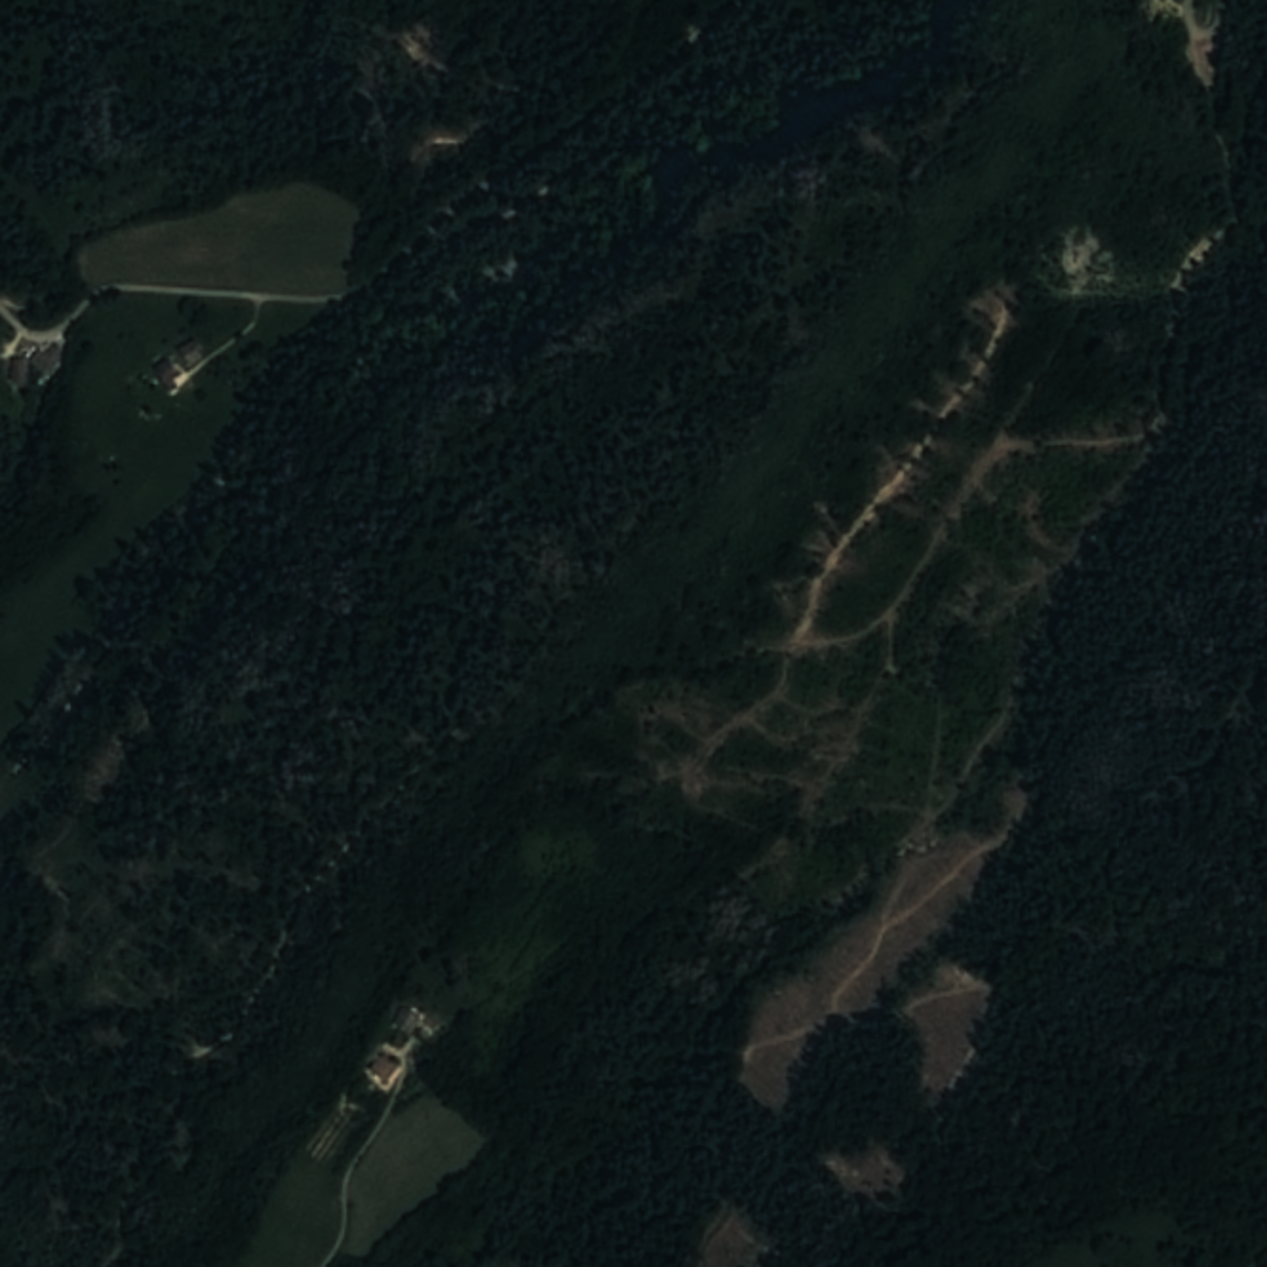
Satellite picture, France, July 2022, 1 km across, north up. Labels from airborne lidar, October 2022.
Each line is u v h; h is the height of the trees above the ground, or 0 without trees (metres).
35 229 8
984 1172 22
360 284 8
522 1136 22
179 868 0
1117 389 13
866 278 8
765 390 12
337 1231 0
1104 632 37
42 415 9
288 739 14
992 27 8
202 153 13
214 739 10
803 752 7
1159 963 7
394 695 18
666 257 13
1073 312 10
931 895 0
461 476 6
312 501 19
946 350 9
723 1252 0
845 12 29
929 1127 15
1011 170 6
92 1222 13
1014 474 7
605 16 23
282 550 25
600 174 7
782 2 27
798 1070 0
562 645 7
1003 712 12
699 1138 23
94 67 23
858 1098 21
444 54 30
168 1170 19
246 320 0
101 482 0
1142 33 18
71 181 18
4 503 19
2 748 6
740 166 33
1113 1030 19
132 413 0
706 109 27
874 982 0
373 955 8
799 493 6
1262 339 20
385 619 11
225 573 12
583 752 9
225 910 10
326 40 25
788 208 6
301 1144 17
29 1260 18
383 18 27
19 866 25
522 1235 24
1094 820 19
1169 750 17
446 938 10
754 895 7
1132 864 22
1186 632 20
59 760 25
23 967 12
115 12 8
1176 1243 8
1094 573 17
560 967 10
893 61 8
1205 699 17
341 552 8
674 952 11
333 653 15
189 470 0
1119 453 10
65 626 0
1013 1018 22
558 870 6
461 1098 20
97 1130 12
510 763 14
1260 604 24
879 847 17
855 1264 15
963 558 8
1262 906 22
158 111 26
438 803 8
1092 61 7
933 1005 0
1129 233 17
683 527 12
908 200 15
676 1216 26
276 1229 0
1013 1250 19
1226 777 23
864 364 8
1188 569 19
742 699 12
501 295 20
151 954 15
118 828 19
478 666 27
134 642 8
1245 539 29
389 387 24
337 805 16
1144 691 20
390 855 14
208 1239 16
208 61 11
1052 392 7
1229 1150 9
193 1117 21
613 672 8
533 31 27
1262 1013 17
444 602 14
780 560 15
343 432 28
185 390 0
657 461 26
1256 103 30
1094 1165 23
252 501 26
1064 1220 13
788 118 18
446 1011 0
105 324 0
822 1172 17
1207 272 11
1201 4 11
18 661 0
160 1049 14
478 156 13
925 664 11
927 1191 27
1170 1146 24
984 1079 20
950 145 6
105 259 0
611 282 14
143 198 0
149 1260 12
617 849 7
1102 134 12
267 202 0
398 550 10
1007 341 6
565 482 9
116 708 15
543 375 10
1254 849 7
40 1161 9
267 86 6
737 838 10
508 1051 8
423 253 28
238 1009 14
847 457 9
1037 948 29
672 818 7
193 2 9
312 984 9
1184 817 25
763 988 11
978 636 12
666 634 17
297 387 25
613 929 10
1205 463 32
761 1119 25
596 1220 22
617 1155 22
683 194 12
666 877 7
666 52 8
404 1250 11
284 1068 7
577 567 12
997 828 6
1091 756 22
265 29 11
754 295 29
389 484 21
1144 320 28
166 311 0
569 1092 25
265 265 0
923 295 10
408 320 27
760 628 27
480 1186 19
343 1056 15
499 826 18
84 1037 18
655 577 7
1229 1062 18
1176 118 15
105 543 0
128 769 6
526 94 17
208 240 0
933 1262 27
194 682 30
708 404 11
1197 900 16
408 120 31
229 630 20
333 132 32
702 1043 26
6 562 7
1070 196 8
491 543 12
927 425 16
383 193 12
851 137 16
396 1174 0
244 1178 16
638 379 12
